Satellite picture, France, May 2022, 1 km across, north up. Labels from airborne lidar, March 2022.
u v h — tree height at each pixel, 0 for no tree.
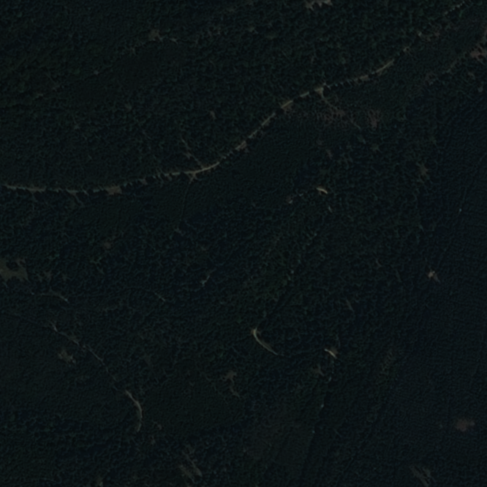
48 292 31
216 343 21
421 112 22
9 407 25
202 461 26
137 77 12
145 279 22
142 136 27
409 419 22
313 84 14
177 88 29
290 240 14
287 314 22
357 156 16
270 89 29
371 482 13
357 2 14
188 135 11
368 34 32
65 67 19
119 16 18
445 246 28
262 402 22
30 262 19
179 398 9
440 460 17
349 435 36
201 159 24
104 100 9
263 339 18
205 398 7
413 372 26
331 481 12
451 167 21
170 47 10
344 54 19
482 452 20
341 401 19
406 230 36
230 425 8
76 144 20
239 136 12
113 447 25
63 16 23
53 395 13
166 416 8
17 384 19
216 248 21
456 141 19
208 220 21
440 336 24
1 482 6
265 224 14
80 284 23
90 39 16
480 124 23
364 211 14
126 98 27
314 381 10
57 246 17
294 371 21
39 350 20
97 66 15
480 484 25
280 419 18
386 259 25
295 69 19
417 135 29
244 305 12
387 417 20
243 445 14
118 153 18
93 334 17
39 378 13
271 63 13
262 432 19
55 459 7
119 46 9
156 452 11
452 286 26
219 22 22
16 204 14
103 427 21
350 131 6
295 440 20
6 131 13
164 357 7
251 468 15
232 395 7
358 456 15
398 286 36
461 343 19
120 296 24
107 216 7
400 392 23
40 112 10
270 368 14
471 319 18
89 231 12
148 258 26
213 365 14
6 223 14
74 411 18
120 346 18
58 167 19
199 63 18
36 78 16
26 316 23
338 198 13
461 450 22
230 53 19
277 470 19
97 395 19
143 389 7
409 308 29
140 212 8
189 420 7
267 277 15
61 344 18
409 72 7
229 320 17
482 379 20
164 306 19
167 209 9
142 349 17
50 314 22
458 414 25
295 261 24
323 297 32
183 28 15
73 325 17
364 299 19
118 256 8
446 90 27
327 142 7
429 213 29
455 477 22
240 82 25
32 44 26
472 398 21
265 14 9
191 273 20
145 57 13
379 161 18
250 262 12
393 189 33
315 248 29
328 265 30
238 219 12
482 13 6
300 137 7
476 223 18
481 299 21
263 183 6
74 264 16
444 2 22
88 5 16
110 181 15
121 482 26
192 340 23
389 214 35
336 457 34
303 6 23
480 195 18
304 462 20
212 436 25
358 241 13
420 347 29
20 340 22
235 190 7
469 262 19
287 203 9
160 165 14
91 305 25
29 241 14
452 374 19
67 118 20
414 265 24
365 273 10
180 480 6
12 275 0
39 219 15
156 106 27
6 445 6
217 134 17
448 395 23
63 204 16
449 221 24
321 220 23
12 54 25
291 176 6
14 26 25
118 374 16
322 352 12
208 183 8
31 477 10
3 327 21
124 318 19
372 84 6
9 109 21
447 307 24
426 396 20
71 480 26
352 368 23
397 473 20
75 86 13
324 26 24
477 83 14
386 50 7
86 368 21
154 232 6
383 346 27
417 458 21
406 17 24
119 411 18
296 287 19
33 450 8
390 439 17
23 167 21
